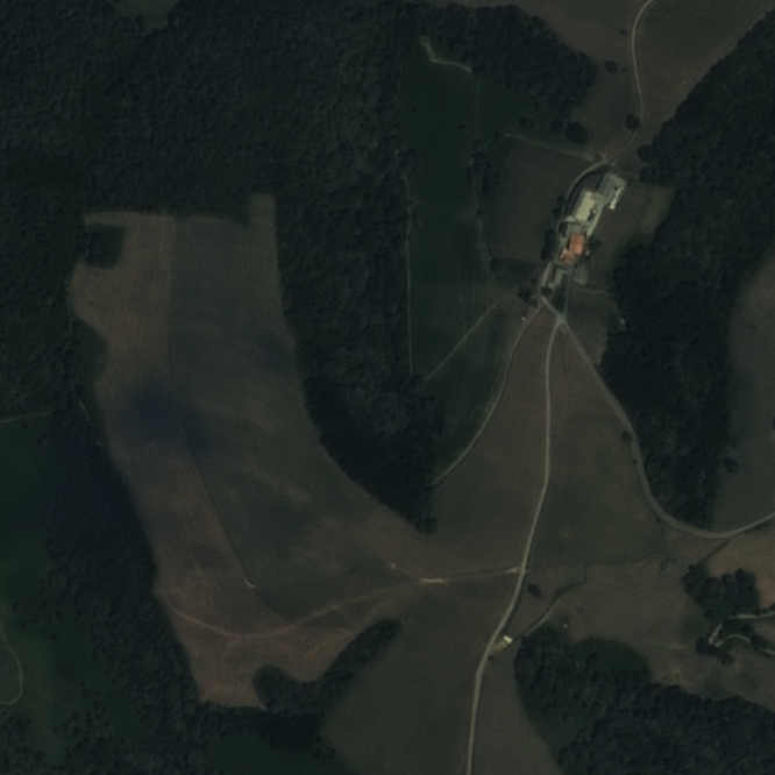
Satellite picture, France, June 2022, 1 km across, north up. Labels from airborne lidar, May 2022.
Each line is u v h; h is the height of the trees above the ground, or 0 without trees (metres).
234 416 0
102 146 8
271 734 14
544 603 0
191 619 0
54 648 0
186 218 0
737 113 19
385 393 18
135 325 0
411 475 20
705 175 20
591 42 0
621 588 0
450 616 0
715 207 24
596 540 0
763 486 0
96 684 0
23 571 0
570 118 13
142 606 21
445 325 0
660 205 0
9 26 14
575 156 0
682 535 0
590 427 0
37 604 0
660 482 15
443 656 0
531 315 0
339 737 0
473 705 0
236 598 0
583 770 0
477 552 0
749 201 16
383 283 22
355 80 14
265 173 9
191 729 18
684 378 19
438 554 0
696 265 27
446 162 0
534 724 0
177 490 0
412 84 0
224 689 0
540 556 0
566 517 0
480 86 0
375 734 0
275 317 0
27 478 0
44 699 0
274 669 0
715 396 25
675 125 12
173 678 19
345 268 9
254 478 0
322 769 0
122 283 0
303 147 8
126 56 18
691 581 13
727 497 0
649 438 15
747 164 20
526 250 0
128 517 23
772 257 0
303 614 0
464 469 0
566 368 0
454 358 0
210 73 13
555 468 0
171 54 17
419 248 0
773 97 11
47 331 14
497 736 0
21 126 7
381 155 26
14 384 13
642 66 0
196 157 13
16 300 16
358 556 0
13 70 10
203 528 0
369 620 0
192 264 0
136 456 0
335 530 0
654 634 0
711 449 26
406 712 0
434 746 0
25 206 23
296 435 0
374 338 20
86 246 9
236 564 0
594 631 0
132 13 0
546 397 0
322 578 0
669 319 26
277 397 0
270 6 20
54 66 8
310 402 8
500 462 0
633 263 19
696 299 25
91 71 20
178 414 0
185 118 14
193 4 21
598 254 0
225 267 0
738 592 15
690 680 0
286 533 0
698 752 18
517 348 0
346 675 9
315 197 12
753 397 0
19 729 16
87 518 15
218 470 0
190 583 0
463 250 0
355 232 17
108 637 12
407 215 10
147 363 0
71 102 13
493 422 0
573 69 23
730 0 0
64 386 22
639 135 0
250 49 10
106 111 21
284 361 0
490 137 0
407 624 0
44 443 11
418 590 0
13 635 0
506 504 0
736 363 0
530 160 0
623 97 0
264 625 0
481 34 20
